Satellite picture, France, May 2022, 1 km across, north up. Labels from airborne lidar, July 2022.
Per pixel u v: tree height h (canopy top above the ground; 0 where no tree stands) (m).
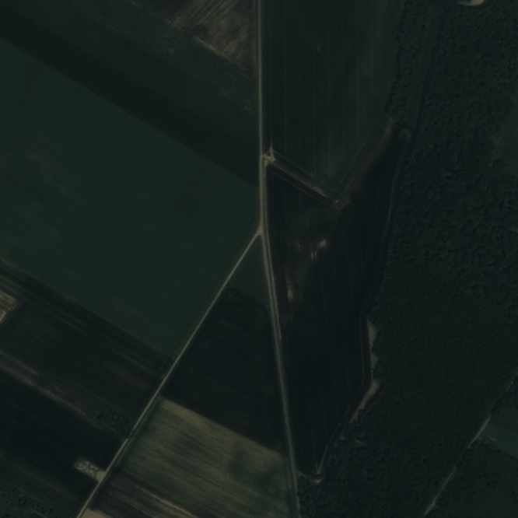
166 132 0
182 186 0
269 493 0
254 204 0
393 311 21
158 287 0
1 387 0
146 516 0
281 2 0
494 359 22
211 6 0
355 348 0
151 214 0
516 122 0
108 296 0
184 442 0
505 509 0
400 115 19
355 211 0
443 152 32
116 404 0
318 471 0
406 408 22
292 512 0
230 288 0
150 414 0
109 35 0
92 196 0
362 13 0
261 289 0
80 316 0
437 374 21
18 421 0
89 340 0
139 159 0
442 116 26
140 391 0
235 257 0
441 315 23
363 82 0
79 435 0
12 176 0
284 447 0
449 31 24
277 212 0
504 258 25
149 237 0
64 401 0
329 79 0
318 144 0
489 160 26
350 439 26
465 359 23
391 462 31
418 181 28
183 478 0
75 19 0
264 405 0
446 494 7
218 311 0
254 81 0
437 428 22
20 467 0
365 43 0
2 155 0
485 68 28
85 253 0
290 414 0
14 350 0
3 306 0
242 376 0
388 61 0
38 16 0
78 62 0
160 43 0
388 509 32
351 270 0
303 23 0
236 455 0
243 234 0
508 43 25
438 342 22
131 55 0
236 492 0
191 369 0
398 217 24
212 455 0
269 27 0
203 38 0
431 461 24
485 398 22
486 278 31
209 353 0
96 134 0
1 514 0
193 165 0
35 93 0
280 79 0
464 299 22
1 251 0
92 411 0
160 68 0
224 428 0
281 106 0
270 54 0
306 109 0
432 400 23
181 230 0
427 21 23
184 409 0
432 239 31
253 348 0
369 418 23
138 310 0
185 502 0
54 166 0
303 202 0
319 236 0
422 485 27
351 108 0
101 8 0
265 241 0
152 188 0
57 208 0
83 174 0
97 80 0
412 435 24
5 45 0
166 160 0
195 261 0
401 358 21
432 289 21
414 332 22
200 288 0
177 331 0
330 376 0
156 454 0
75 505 0
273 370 0
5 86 0
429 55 0
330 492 27
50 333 0
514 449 0
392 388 21
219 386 0
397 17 0
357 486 29
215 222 0
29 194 0
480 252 27
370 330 0
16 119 0
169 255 0
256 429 0
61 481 0
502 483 14
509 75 26
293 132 0
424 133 23
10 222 0
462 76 28
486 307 23
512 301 27
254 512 0
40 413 0
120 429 8
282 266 0
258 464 0
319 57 0
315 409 0
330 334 0
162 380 0
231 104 0
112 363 0
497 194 31
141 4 0
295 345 0
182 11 0
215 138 0
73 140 0
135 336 0
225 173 0
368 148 0
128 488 0
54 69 0
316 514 27
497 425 0
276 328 0
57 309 0
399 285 21
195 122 0
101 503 0
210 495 0
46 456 0
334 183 0
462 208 30
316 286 0
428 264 20
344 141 0
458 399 23
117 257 0
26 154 0
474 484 10
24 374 0
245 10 0
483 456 13
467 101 29
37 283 0
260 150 0
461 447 24
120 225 0
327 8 0
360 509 30
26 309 0
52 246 0
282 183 0
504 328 21
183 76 0
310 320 0
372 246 0
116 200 0
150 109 0
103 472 0
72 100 0
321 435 0
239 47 0
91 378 0
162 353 0
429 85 21
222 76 0
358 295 0
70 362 0
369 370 0
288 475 0
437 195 29
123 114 0
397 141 0
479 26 19
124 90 0
